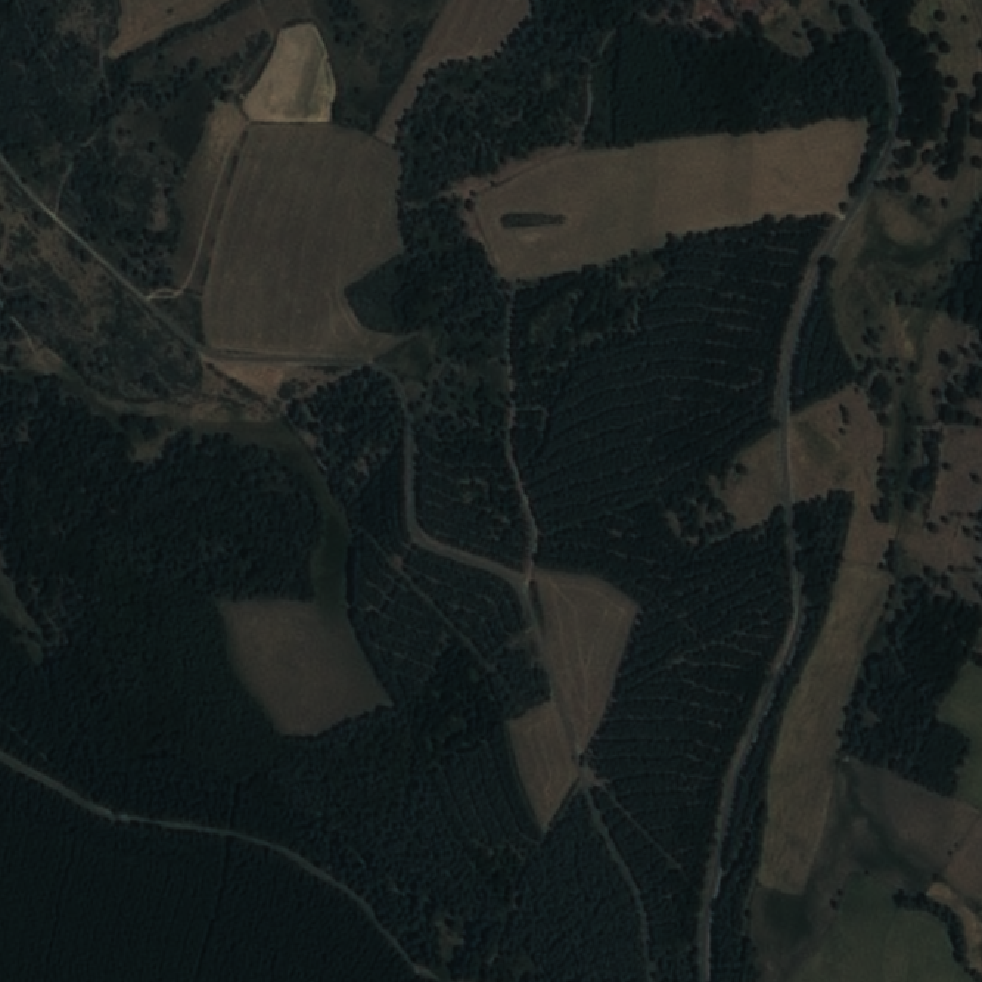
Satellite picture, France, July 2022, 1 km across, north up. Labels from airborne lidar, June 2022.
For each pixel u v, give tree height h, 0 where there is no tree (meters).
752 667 13
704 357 12
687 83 17
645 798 19
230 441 9
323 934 19
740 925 18
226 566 18
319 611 0
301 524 16
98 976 16
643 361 14
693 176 0
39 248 0
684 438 13
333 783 16
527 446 12
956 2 0
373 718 14
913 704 11
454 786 15
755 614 10
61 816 16
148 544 14
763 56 21
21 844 18
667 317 15
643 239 0
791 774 0
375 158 0
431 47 0
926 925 0
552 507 17
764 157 0
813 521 14
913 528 0
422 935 12
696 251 16
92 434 12
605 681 0
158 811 13
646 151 0
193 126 0
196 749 15
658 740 13
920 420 10
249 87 0
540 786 0
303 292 0
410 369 0
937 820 0
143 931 17
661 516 11
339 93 0
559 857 17
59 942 17
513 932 15
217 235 0
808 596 15
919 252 0
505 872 9
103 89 13
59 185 0
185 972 16
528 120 12
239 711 13
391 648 16
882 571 6
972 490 0
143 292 0
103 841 18
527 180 0
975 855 0
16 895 15
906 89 17
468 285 15
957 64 0
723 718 12
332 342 0
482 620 14
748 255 12
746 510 0
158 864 16
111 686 19
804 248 12
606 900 14
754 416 14
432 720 17
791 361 0
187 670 14
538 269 0
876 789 0
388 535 14
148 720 19
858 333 0
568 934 15
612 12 14
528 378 12
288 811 21
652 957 12
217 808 18
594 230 0
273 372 0
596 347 13
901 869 0
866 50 16
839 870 0
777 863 0
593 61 7
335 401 18
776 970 0
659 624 15
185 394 0
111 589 12
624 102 14
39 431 11
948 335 0
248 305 0
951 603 12
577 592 0
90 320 0
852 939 0
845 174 0
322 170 0
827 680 0
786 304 11
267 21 0
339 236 0
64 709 21
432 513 17
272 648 0
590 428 16
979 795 0
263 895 19
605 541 12
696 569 16
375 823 20
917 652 14
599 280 11
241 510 17
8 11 10
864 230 0
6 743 17
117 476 16
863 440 0
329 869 18
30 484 18
